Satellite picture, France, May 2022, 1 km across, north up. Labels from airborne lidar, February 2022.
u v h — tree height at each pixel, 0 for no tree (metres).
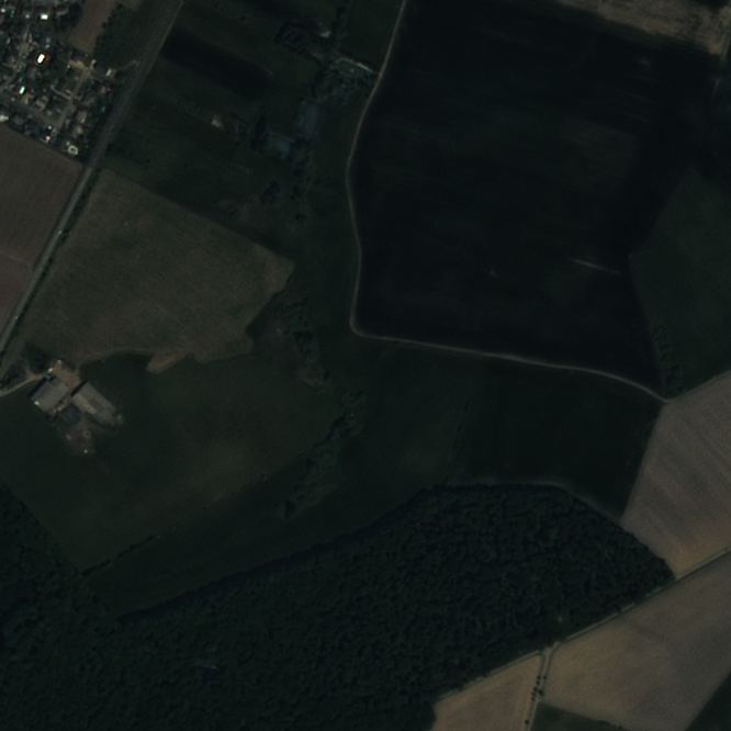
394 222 0
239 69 0
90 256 0
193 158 0
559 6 0
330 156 0
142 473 0
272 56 0
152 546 0
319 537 0
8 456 0
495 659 24
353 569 25
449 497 23
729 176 0
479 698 0
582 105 0
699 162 0
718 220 0
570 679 0
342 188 0
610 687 0
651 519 0
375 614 22
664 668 0
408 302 0
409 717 25
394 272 0
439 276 0
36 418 0
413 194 0
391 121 0
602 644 0
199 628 26
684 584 0
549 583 26
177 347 0
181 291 0
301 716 25
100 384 0
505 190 0
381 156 0
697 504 0
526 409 0
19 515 23
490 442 0
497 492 14
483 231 0
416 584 22
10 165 0
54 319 0
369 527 0
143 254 0
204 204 0
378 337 0
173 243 0
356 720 25
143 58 0
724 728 0
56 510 0
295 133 0
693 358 0
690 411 0
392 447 0
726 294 0
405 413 0
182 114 0
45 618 27
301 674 25
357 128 0
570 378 0
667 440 0
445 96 0
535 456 0
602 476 0
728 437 0
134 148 0
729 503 0
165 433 0
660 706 0
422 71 0
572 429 0
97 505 0
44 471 0
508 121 0
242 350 0
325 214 0
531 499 24
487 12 0
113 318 0
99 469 0
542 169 0
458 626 22
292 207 0
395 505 0
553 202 0
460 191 0
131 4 0
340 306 0
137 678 23
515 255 0
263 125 17
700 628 0
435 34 0
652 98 0
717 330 0
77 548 0
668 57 0
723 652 0
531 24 0
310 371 0
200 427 0
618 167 0
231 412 0
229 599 24
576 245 0
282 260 0
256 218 0
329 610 25
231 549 0
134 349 0
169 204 0
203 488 0
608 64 0
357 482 0
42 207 0
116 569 0
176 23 0
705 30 0
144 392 0
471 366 0
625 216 0
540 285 0
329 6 0
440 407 0
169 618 24
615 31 0
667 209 0
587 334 0
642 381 0
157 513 0
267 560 0
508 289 0
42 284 0
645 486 0
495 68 0
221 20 0
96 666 22
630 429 0
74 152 0
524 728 0
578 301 0
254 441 0
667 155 0
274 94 0
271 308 0
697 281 0
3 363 0
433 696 19
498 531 26
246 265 0
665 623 0
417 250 0
